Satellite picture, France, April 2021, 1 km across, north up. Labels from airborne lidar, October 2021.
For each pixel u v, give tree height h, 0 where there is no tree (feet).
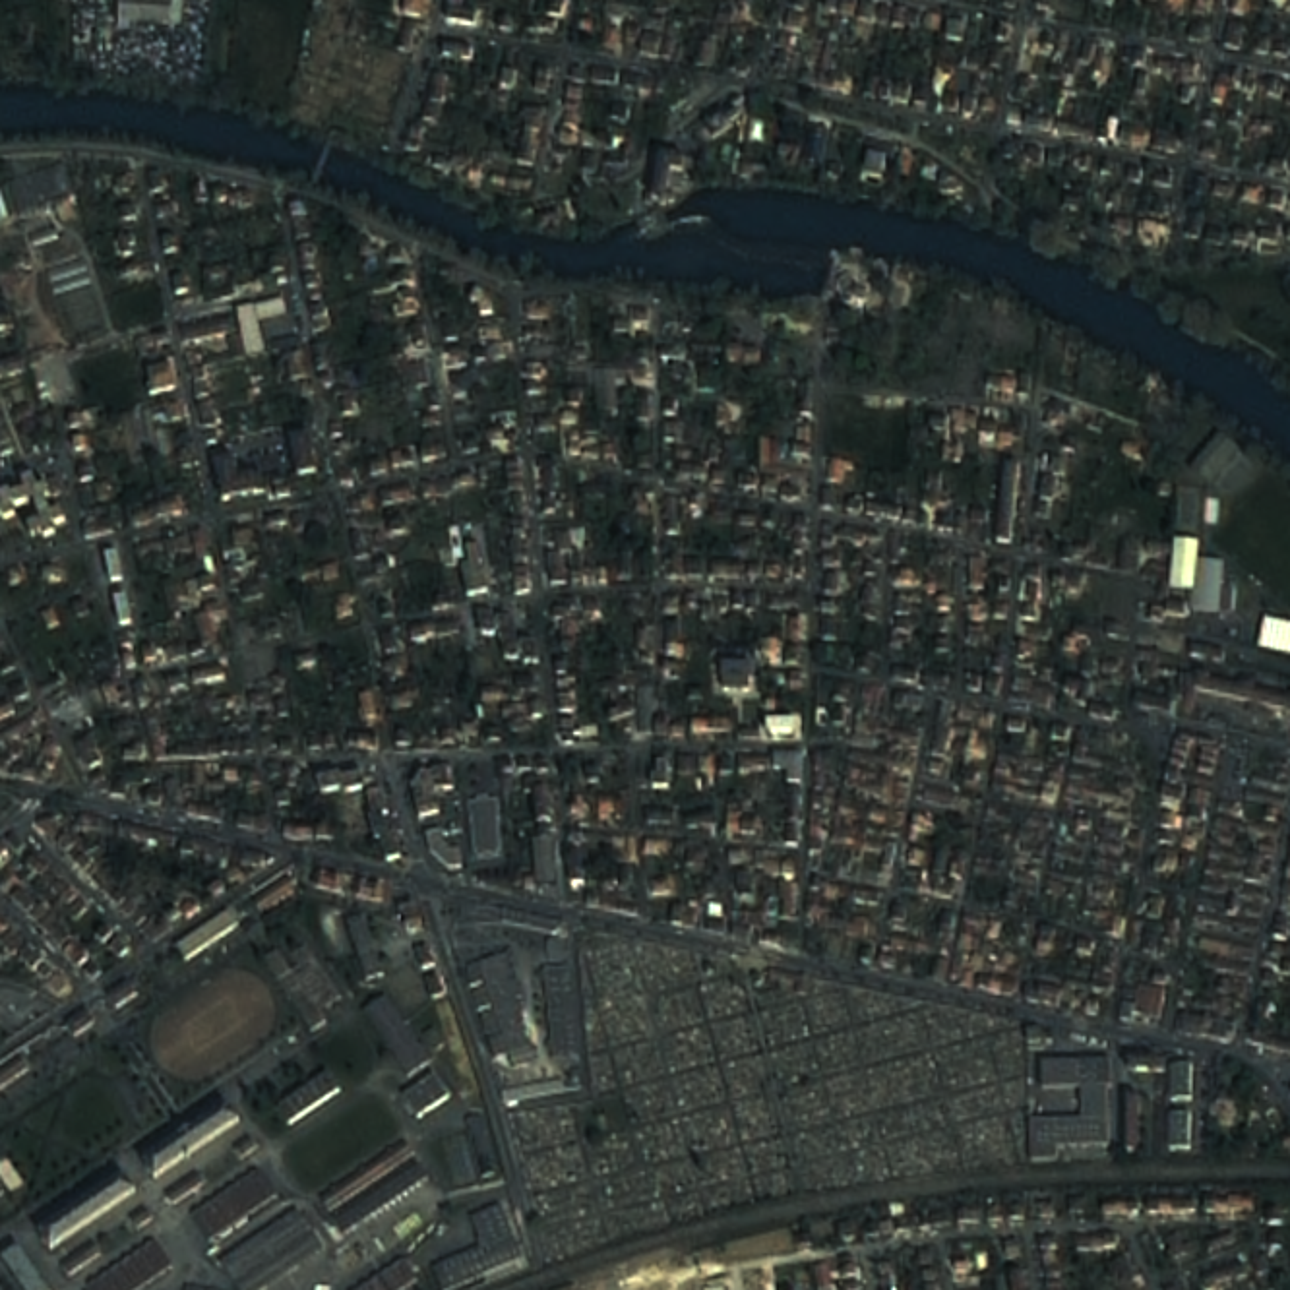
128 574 22
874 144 0
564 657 18
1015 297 29
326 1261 0
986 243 0
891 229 0
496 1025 0
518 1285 0
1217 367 0
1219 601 0
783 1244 0
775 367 59
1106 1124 0
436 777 0
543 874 0
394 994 0
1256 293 0
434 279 21
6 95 0
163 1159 0
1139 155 0
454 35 0
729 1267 0
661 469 21
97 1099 0
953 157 25
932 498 0
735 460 41
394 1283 0
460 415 0
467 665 37
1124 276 76
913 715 22
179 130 0
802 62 19
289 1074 47
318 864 25
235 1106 0
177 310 0
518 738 25
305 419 41
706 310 48
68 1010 0
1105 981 0
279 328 0
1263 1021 57
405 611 22
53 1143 0
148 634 24
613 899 0
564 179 0
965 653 21
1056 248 97
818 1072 0
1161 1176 0
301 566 27
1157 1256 22
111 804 0
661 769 0
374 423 0
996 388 0
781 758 0
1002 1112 0
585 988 0
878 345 63
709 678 0
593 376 0
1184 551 0
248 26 0
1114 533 0
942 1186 0
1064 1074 0
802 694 25
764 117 37
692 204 0
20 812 0
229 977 0
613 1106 0
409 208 0
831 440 0
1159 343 0
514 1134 0
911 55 21
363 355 29
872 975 0
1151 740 0
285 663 20
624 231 0
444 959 0
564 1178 0
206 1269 0
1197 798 0
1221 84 0
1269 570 0
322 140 28
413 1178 0
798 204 0
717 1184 0
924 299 22
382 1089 0
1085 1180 0
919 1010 0
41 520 0
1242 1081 41
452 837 0
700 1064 0
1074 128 0
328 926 0
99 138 43
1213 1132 25
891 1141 0
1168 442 76
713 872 30
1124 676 0
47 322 0
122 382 0
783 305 56
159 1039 0
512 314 0
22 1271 0
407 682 19
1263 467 79
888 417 0
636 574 34
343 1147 0
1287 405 0
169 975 39
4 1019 0
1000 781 0
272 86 0
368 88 0
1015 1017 25
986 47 20
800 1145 0
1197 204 35
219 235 54
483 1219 0
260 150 0
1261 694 0
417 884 0
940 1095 0
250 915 0
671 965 0
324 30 0
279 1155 0
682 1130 0
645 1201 0
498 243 0
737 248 0
